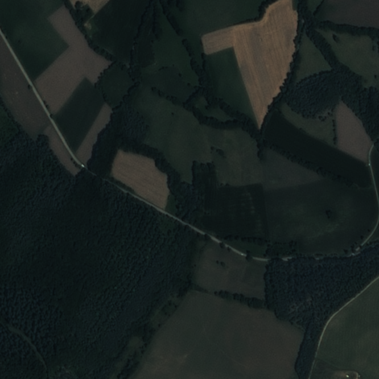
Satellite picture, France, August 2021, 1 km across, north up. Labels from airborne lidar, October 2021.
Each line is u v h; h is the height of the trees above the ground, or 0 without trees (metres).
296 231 0
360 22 0
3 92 0
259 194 0
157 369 0
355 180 0
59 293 27
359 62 0
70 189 16
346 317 0
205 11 0
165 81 0
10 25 0
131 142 24
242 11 0
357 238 0
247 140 0
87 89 0
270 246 14
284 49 0
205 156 0
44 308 22
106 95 12
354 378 0
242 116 18
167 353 0
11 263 8
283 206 0
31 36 0
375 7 0
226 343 0
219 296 9
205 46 0
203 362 0
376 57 0
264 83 0
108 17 0
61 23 0
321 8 8
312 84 16
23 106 0
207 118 11
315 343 14
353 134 0
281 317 11
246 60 0
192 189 15
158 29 23
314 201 0
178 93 0
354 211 0
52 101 0
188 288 9
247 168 0
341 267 22
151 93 0
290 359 0
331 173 12
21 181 11
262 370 0
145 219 14
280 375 0
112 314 17
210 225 0
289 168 0
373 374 0
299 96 11
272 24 0
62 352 17
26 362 17
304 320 7
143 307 11
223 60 0
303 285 23
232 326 0
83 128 0
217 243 0
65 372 18
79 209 24
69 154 0
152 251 18
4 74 0
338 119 0
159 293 17
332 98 12
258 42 0
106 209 13
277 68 0
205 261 0
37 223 19
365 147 0
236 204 0
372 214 0
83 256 20
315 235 0
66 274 27
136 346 0
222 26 0
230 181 0
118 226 14
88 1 0
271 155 0
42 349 31
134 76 18
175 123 0
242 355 0
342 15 0
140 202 16
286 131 0
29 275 26
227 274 0
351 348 0
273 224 0
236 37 0
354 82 13
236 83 0
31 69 0
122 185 11
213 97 20
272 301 16
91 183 25
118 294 13
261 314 0
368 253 20
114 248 13
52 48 0
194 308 0
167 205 0
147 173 0
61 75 0
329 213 17
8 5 0
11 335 27
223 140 0
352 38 0
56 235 23
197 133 0
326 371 0
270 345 0
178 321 0
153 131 0
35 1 0
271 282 11
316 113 11
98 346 15
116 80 0
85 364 15
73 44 0
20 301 23
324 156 0
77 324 17
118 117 23
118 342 15
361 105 11
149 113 0
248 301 12
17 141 19
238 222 0
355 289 21
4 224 15
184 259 15
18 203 15
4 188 16
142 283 16
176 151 0
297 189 0
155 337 0
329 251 0
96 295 15
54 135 0
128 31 0
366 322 0
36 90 0
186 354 0
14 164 14
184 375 0
